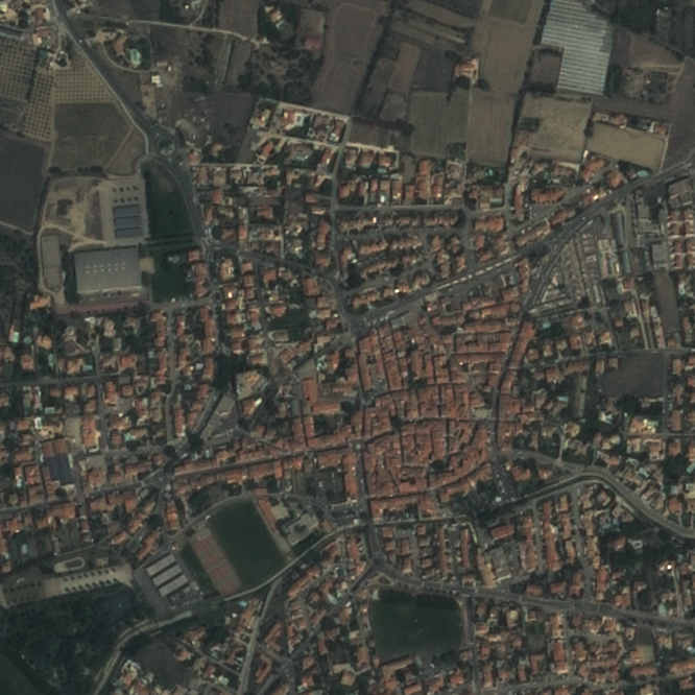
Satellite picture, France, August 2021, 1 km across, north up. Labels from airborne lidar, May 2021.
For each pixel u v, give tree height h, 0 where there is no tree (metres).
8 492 6
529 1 0
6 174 0
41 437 0
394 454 0
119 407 0
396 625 0
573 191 0
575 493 0
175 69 0
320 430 7
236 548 0
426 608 17
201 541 0
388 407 0
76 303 10
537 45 8
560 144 0
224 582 0
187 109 0
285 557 0
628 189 0
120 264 0
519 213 0
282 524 10
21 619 7
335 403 0
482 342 0
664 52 0
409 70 0
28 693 0
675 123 0
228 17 0
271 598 0
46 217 0
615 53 0
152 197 12
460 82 10
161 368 0
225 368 18
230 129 7
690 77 0
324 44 0
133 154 0
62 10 0
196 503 15
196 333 6
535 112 0
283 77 0
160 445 11
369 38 0
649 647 0
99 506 0
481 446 0
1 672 0
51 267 0
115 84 0
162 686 0
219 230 12
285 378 0
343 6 0
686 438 0
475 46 0
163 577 0
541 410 5
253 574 0
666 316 0
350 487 0
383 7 0
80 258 0
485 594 0
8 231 0
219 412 0
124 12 0
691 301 8
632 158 0
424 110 0
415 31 0
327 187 14
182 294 0
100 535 6
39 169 0
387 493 0
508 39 0
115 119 0
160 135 0
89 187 0
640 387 0
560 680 0
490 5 0
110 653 12
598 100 0
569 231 0
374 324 0
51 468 0
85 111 0
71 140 0
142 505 6
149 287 0
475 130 0
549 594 8
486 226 0
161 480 0
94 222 0
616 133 0
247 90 7
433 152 0
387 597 20
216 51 0
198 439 19
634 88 0
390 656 0
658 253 0
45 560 13
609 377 0
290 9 12
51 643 13
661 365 0
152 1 0
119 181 0
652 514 0
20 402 6
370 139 0
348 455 0
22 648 11
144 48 8
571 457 8
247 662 0
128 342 12
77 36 0
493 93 0
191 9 0
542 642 0
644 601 12
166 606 0
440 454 0
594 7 7
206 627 14
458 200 0
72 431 0
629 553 11
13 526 0
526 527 0
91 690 19
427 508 0
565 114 0
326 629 13
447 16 0
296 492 0
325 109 0
